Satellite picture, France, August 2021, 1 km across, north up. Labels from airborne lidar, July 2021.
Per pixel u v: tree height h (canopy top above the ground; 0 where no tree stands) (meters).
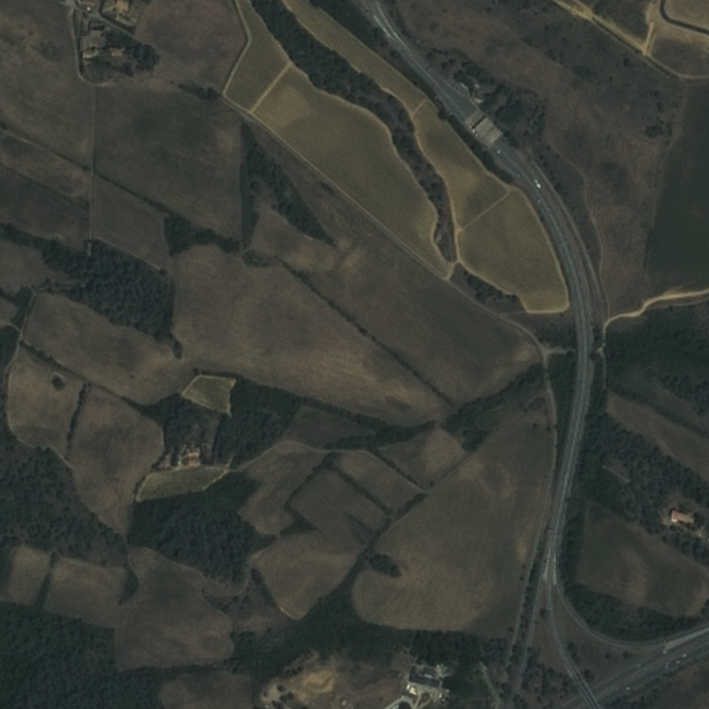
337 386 0
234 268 0
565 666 0
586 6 0
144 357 0
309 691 0
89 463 0
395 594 0
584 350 0
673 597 0
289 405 6
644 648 0
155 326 8
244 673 14
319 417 0
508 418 0
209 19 0
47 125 0
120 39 9
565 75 0
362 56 0
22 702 8
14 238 9
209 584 0
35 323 0
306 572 0
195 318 0
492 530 0
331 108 0
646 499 15
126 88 0
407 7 0
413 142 7
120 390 0
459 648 16
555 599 0
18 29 0
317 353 0
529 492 0
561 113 0
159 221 0
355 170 0
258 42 0
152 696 14
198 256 0
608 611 10
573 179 0
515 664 12
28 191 0
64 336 0
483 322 0
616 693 0
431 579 0
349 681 0
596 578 0
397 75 0
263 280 0
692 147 0
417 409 0
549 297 0
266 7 10
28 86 0
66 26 0
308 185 0
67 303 0
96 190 0
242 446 16
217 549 16
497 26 0
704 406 12
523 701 8
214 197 0
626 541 0
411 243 0
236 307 0
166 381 0
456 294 0
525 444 0
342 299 0
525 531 0
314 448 0
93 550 11
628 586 0
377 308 0
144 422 0
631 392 6
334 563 0
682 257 0
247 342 0
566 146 0
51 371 0
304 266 0
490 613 0
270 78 0
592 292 0
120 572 0
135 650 0
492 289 8
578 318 0
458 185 0
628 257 0
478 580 0
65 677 15
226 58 0
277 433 14
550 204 0
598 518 0
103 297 19
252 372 0
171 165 0
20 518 9
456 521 0
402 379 0
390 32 0
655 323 9
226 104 0
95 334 0
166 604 0
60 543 8
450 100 0
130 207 0
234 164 0
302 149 0
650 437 0
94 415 0
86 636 12
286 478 0
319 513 0
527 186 0
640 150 0
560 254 0
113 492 0
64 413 0
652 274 0
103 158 0
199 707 0
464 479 0
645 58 0
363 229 0
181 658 0
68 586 0
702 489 16
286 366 0
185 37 0
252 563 0
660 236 0
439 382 0
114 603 0
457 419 6
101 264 11
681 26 0
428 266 0
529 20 0
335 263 0
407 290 0
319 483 0
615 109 0
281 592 0
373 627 9
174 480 0
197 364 0
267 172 11
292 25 10
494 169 10
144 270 13
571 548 11
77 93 0
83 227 0
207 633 0
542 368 11
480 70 8
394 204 0
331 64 12
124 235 0
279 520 0
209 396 0
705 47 0
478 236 0
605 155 0
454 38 0
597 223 0
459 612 0
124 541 13
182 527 14
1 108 0
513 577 0
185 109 0
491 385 0
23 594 0
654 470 11
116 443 0
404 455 0
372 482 0
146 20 0
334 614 7
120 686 13
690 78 0
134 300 16
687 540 7
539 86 0
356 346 0
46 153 0
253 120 0
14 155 0
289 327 0
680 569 0
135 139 0
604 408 8
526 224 0
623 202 0
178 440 13
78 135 0
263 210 0
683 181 0
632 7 0
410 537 0
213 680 0
